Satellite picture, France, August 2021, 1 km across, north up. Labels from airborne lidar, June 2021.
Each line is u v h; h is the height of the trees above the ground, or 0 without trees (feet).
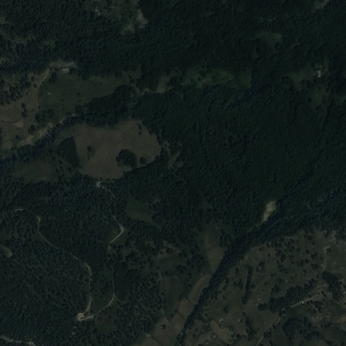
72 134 0
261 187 83
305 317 0
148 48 70
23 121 0
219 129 71
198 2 94
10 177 104
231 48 84
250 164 63
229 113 68
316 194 74
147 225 54
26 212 48
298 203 78
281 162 73
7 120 0
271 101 75
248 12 56
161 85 0
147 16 80
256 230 37
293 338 53
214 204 87
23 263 76
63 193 87
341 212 65
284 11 47
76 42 57
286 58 73
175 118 64
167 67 89
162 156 51
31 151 33
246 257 0
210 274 0
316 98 0
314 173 54
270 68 97
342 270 0
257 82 90
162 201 36
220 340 0
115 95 67
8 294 75
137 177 84
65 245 47
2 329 29
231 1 28
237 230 74
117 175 0
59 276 67
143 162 56
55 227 23
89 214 67
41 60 67
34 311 73
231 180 73
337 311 0
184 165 36
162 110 83
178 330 0
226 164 103
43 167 0
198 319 23
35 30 75
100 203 94
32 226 42
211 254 0
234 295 0
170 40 88
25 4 108
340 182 74
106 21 93
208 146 109
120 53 101
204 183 88
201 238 0
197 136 38
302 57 73
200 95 54
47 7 106
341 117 107
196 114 75
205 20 48
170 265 0
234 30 79
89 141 0
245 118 92
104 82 0
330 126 107
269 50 47
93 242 35
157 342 0
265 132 78
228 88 43
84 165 0
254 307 0
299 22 89
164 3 48
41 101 0
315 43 83
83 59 69
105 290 38
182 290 0
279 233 44
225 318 0
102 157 0
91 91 0
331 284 31
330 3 55
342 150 88
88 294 21
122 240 0
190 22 90
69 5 40
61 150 24
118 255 24
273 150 79
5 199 85
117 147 0
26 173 0
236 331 0
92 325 63
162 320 0
